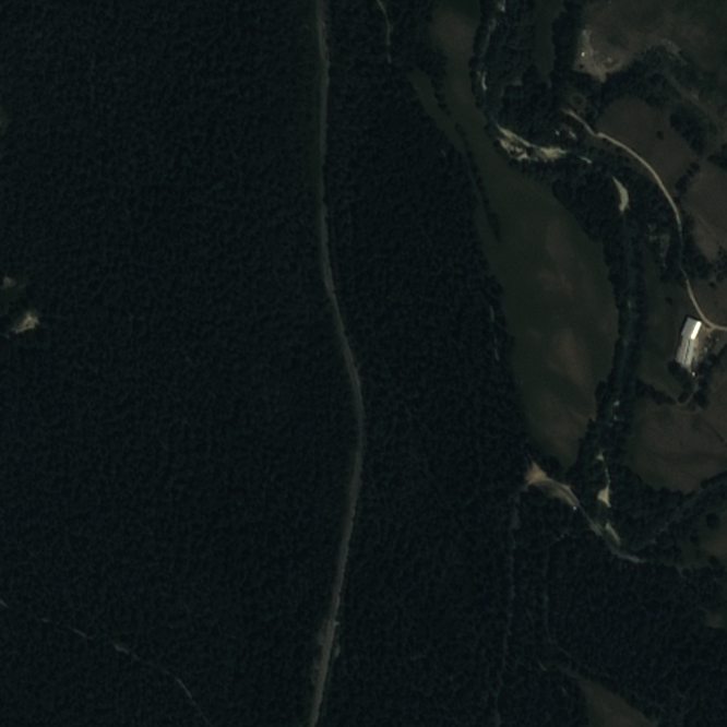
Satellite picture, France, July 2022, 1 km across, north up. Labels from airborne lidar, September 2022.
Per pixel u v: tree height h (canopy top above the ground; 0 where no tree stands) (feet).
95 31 31
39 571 39
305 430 93
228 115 31
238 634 70
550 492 0
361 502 22
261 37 42
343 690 56
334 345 60
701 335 0
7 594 33
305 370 80
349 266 61
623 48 0
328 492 80
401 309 71
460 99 0
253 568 78
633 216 72
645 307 36
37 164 46
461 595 42
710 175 0
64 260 53
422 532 37
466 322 57
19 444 79
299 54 43
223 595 64
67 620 30
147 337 56
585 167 41
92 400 59
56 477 25
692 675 73
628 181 55
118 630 43
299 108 45
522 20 67
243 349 21
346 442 53
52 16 46
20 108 42
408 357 63
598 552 33
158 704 54
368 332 54
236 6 61
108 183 48
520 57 46
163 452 41
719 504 27
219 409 45
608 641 93
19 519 66
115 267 57
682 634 28
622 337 27
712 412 0
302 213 22
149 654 42
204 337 63
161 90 23
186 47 68
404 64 81
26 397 68
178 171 60
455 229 80
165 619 57
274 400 63
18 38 36
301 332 75
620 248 68
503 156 23
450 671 24
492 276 49
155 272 52
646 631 25
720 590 71
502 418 114
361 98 70
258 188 46
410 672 62
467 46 0
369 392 49
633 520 105
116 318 38
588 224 86
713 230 0
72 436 63
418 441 31
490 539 26
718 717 31
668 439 0
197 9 62
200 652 54
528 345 0
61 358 74
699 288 0
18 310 35
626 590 54
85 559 61
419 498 46
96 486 21
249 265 46
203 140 35
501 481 37
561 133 38
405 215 76
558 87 42
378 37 94
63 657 57
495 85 37
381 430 55
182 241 32
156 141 66
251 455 56
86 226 21
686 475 0
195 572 61
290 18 25
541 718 99
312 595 66
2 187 41
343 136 92
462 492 30
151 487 73
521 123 58
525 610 43
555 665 57
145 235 62
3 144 28
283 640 90
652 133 0
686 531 50
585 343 0
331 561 66
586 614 48
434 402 62
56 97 46
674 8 0
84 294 52
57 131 49
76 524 65
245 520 47
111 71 41
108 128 56
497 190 0
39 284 33
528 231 0
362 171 76
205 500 75
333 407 60
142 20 55
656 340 0
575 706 79
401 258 73
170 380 51
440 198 62
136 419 50
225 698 53
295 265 82
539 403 0
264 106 35
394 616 60
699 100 0
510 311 0
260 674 68
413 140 58
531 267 0
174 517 73
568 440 0
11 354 88
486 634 35
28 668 33
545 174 72
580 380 0
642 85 43
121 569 67
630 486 54
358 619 39
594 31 0
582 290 0
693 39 0
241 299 41
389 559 54
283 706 79
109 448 62
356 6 107
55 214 56
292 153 44
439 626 41
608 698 0
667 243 0
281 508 36
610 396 50
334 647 24
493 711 38
